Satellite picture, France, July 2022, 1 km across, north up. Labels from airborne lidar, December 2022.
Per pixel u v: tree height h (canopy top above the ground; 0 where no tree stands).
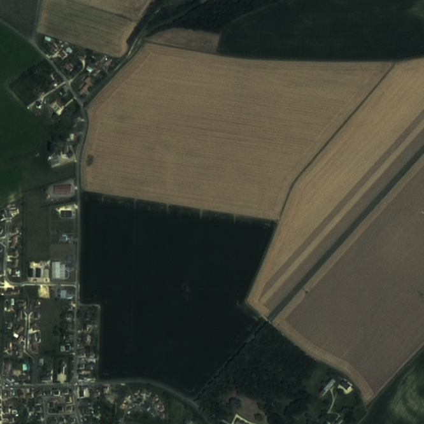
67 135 0
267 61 0
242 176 0
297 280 0
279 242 0
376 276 0
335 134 0
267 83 0
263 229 0
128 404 0
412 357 0
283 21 0
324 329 0
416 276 0
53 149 28
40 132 0
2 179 0
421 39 0
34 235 0
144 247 0
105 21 0
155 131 0
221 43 0
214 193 0
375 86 0
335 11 0
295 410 20
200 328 0
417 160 0
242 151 0
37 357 0
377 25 0
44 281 0
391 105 0
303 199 0
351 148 0
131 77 0
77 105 7
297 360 16
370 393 0
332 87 0
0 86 0
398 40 0
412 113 0
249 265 0
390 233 0
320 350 0
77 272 0
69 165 0
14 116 0
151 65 0
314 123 0
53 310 0
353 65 0
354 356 0
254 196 0
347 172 0
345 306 0
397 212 0
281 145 0
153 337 0
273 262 0
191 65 0
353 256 0
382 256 0
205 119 0
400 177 0
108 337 0
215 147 0
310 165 0
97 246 0
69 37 0
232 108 0
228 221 0
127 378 0
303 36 0
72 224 0
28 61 0
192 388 0
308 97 0
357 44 0
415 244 0
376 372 0
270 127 0
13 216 0
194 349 0
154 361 0
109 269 0
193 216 0
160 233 0
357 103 0
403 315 0
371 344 0
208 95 0
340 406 0
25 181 0
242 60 0
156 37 0
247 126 0
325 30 0
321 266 0
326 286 0
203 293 0
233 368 22
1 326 0
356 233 0
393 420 0
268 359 18
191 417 0
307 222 0
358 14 0
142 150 0
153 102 0
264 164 0
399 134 0
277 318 0
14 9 0
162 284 0
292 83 0
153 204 0
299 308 0
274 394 18
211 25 18
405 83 0
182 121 0
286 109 0
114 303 0
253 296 0
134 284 0
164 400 0
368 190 0
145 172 0
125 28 0
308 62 0
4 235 0
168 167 0
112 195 0
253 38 0
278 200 0
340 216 0
